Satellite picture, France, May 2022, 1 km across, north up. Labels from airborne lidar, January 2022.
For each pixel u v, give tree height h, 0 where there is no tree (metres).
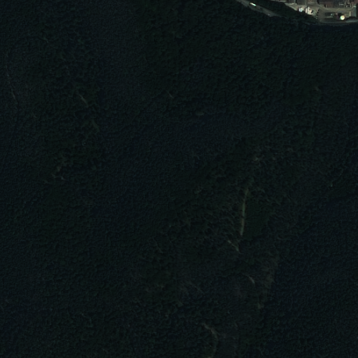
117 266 24
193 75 29
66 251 32
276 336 24
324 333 26
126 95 25
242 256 21
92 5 21
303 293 26
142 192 26
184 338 27
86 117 35
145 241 20
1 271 25
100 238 31
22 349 22
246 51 36
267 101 17
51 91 18
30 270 23
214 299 28
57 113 24
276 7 24
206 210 26
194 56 24
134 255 20
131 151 24
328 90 24
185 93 28
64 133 31
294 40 30
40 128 20
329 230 27
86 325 18
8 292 20
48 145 19
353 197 23
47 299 21
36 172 21
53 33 29
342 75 29
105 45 26
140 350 37
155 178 26
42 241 20
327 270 32
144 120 23
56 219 21
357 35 31
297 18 24
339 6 0
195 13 31
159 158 19
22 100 21
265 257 24
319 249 32
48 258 23
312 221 26
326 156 23
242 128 27
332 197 12
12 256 21
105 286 25
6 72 19
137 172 30
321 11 0
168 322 35
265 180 32
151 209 21
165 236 13
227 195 30
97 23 24
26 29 24
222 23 21
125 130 28
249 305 18
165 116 21
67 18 36
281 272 24
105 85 35
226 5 25
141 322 19
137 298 20
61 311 27
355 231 26
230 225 30
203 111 27
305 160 26
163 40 28
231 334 17
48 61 29
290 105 17
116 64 25
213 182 25
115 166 31
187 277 22
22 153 22
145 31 18
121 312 13
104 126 36
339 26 0
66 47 8
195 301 32
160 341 32
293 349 28
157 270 17
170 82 18
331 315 21
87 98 34
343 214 27
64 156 29
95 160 8
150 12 25
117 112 30
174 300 9
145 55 17
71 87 36
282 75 31
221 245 28
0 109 22
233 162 24
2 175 23
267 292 26
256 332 25
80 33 36
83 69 33
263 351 33
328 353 21
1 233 20
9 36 19
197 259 19
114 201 22
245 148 26
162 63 24
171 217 14
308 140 27
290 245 33
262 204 7
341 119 30
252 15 20
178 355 20
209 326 28
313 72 30
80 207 33
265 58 21
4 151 25
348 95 34
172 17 33
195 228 23
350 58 29
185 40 32
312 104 26
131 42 19
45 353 16
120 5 21
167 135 23
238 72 25
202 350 26
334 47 31
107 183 28
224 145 22
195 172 16
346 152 25
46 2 32
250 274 25
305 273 31
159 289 12
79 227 33
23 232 21
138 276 19
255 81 26
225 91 24
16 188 24
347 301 23
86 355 19
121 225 25
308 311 25
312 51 31
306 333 22
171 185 21
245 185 29
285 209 31
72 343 19
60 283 30
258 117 24
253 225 9
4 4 26
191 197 13
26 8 23
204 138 29
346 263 27
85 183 40
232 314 18
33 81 22
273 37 29
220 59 29
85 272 33
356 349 20
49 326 20
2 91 21
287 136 33
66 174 20
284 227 27
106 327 21
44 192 19
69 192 27
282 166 32
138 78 21
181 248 29
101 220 25
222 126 29
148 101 18
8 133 21
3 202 21
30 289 19
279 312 28
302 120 34
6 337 33
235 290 23
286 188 26
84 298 29
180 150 25
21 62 15
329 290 20
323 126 24
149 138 23
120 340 26
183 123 29
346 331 21
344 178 10
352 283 21
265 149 28
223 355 17
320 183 27
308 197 35
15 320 32
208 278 28
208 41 36
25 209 23
